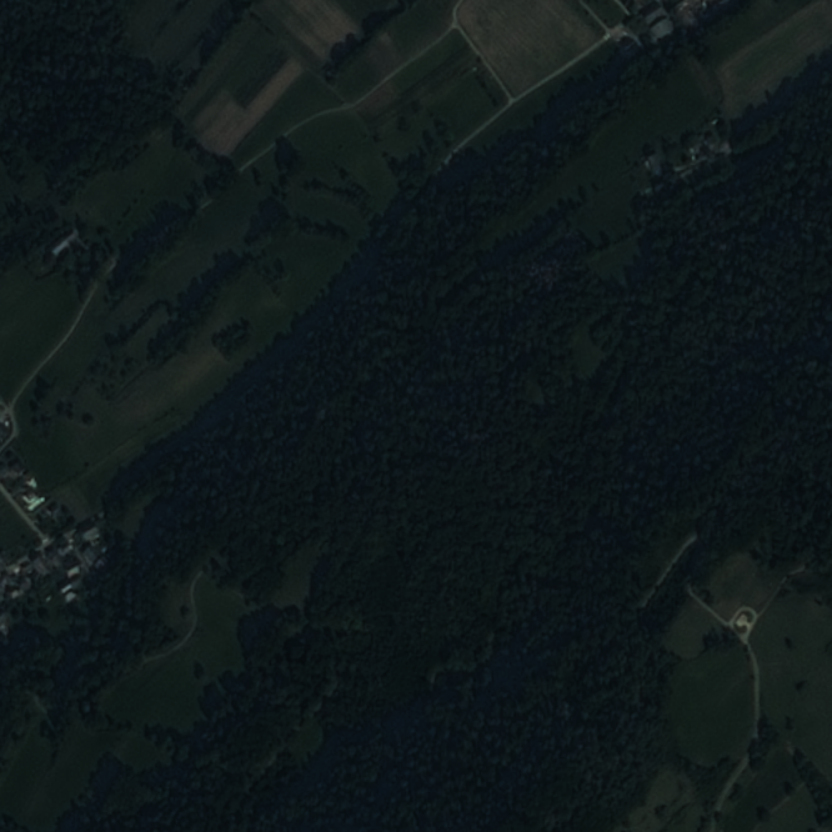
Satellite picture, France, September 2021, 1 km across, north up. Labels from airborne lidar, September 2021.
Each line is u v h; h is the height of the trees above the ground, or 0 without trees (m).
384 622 7
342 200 11
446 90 0
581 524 20
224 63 0
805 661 0
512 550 27
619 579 23
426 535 22
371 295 7
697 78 0
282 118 0
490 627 9
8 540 0
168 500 18
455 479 19
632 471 31
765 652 0
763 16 0
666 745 6
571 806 21
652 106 0
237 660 0
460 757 29
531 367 28
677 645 0
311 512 24
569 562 27
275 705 19
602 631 26
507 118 0
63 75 21
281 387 19
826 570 23
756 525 19
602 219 0
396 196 0
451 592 6
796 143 28
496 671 0
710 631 0
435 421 23
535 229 0
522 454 29
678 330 22
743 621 0
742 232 21
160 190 0
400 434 20
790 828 0
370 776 33
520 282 23
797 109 25
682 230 18
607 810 16
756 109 0
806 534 11
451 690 11
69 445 0
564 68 0
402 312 19
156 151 0
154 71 11
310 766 0
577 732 31
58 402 0
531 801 27
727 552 16
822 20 0
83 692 23
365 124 0
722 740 0
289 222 9
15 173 22
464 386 24
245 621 0
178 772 0
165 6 0
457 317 13
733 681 0
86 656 20
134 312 0
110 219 0
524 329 28
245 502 22
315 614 19
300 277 0
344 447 29
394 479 24
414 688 10
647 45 0
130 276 25
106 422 0
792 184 27
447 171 0
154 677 0
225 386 0
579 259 22
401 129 10
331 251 0
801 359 28
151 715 0
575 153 24
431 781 30
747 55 0
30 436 0
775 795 0
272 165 0
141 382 0
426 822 27
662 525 25
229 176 18
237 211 0
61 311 0
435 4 0
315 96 0
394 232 18
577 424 18
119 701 0
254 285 0
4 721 28
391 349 26
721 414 30
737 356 23
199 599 0
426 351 18
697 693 0
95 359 0
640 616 10
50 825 0
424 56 0
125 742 0
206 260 0
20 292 0
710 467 18
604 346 18
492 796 16
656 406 22
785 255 20
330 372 21
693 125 0
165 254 16
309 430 25
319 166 0
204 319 19
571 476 21
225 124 0
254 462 28
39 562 0
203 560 18
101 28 16
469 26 0
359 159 0
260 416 26
